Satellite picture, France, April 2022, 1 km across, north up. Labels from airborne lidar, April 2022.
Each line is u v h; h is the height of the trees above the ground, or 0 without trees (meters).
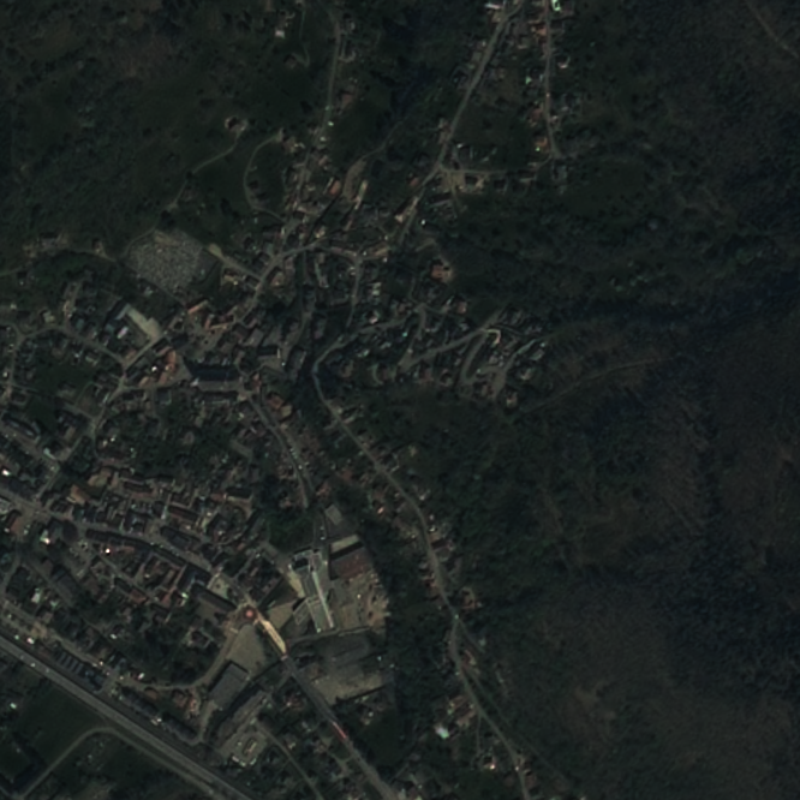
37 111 0
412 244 12
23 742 16
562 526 15
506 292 14
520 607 16
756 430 19
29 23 15
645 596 25
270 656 13
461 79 0
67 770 0
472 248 20
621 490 13
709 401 16
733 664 22
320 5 16
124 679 0
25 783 19
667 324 30
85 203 9
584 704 10
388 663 0
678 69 28
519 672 14
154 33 23
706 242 14
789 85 23
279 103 0
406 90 22
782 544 19
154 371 0
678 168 14
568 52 7
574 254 17
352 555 0
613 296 0
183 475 0
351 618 0
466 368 0
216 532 0
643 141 18
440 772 13
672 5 21
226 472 0
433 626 0
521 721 14
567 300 11
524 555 13
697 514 19
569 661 15
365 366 0
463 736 6
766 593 14
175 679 10
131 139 20
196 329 0
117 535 0
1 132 6
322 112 10
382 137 19
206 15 0
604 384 0
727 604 20
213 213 15
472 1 13
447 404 8
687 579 24
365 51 13
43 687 8
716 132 34
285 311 16
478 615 6
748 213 21
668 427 22
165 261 0
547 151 0
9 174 11
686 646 20
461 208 0
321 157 0
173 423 10
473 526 13
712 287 22
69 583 0
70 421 0
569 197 0
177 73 18
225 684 0
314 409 9
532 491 16
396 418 11
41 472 0
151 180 0
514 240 0
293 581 0
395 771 7
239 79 12
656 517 26
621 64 0
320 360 0
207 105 18
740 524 25
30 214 28
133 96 12
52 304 7
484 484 11
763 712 21
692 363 23
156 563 0
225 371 0
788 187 19
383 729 0
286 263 0
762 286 18
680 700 17
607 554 0
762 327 18
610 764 14
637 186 0
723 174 24
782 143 26
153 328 0
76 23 17
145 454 7
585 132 8
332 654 0
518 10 0
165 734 0
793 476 19
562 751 19
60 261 17
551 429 9
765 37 20
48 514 0
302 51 0
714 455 14
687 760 9
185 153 0
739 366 21
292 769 0
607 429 25
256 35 0
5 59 16
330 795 0
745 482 22
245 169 0
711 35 25
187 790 0
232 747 0
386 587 16
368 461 6
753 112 29
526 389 6
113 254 0
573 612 11
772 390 19
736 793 22
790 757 25
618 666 16
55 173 18
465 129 0
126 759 0
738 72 21
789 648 25
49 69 13
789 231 29
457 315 7
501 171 0
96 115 13
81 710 0
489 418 19
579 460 20
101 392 0
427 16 27
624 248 9
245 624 0
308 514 15
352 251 0
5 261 11
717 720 19
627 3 12
